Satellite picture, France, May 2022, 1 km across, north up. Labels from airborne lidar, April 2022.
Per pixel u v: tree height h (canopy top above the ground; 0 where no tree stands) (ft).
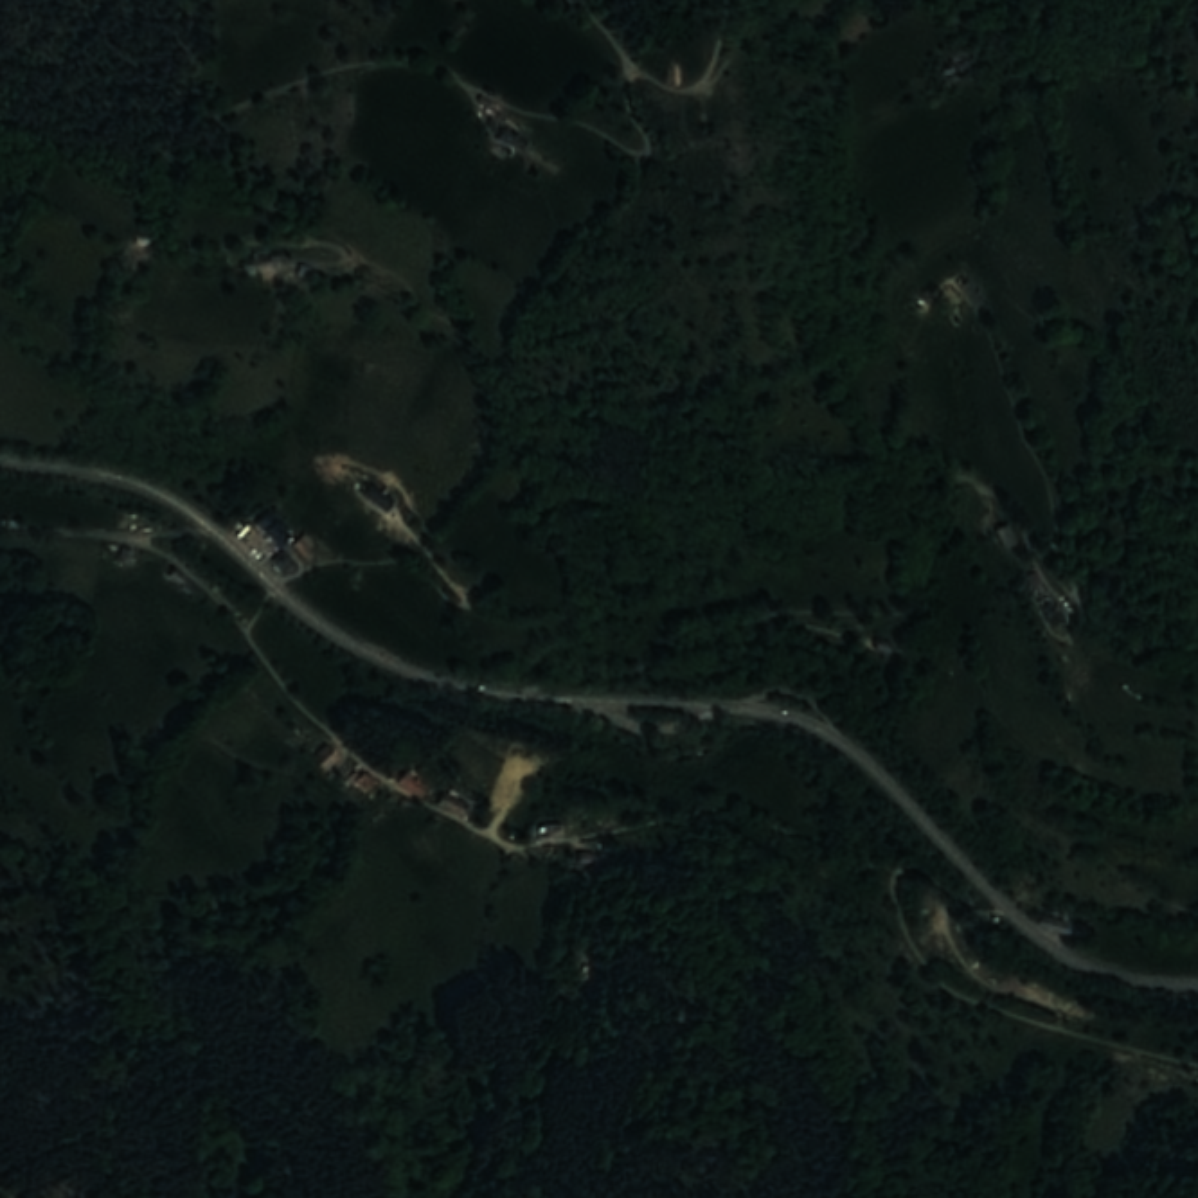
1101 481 19
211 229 0
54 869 80
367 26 26
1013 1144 23
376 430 0
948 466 73
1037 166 0
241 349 0
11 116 62
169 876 0
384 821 0
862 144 0
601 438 80
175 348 0
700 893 79
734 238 0
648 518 85
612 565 76
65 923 58
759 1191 89
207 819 0
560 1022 105
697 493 84
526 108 0
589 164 0
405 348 0
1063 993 32
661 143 18
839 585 0
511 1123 102
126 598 0
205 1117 86
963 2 56
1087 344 64
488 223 0
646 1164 89
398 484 0
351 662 48
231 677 69
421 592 0
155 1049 107
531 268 0
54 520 0
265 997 97
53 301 0
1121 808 67
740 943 94
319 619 0
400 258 0
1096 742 37
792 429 0
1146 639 66
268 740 0
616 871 63
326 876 97
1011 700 0
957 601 0
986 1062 0
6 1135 70
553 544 87
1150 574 48
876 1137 98
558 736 57
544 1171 86
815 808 19
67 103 80
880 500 102
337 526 0
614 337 68
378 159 0
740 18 61
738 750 0
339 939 0
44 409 0
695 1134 50
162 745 64
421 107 0
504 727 51
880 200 0
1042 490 0
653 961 57
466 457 0
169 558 0
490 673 60
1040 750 0
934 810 63
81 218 0
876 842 27
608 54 0
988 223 0
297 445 0
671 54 0
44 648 103
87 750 0
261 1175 92
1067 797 71
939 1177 100
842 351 71
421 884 0
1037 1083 45
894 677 67
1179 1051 27
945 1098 81
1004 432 0
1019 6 64
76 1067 77
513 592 0
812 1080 74
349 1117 88
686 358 52
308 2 0
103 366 53
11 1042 78
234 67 0
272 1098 112
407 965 0
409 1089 95
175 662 0
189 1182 88
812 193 87
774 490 99
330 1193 100
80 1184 64
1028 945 44
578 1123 81
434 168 0
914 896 48
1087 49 79
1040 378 0
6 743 0
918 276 0
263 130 0
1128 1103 0
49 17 70
